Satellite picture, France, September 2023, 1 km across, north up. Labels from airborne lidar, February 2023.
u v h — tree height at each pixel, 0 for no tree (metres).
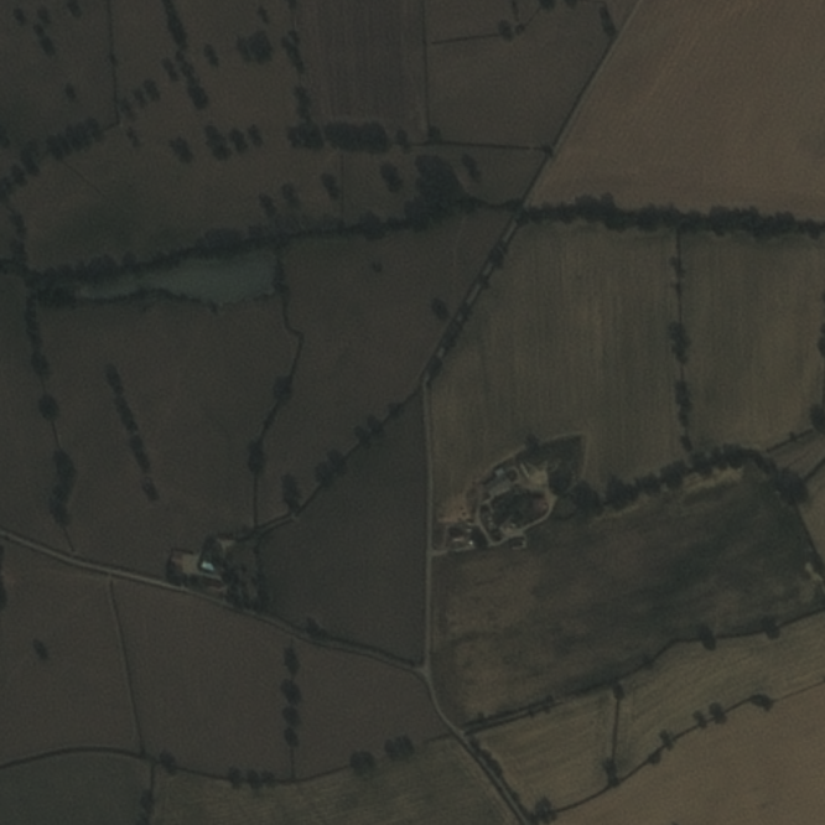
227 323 0
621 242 0
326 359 0
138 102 13
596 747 0
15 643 0
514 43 0
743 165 0
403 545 0
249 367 0
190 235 0
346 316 0
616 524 0
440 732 0
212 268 0
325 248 0
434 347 0
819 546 0
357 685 0
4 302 0
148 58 0
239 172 0
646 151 0
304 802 0
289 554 0
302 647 0
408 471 0
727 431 0
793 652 0
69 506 0
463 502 0
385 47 0
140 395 0
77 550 0
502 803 0
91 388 0
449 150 0
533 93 0
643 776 0
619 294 0
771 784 0
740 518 0
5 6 0
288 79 0
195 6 0
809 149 0
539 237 0
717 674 0
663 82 0
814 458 0
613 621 0
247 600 10
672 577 0
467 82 0
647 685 0
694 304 0
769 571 0
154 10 0
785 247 0
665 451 0
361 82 0
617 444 0
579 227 0
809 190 0
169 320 0
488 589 0
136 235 0
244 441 0
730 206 0
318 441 0
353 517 0
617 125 0
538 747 0
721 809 0
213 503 0
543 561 0
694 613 0
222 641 0
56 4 0
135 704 0
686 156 0
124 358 0
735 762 0
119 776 0
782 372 0
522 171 0
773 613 0
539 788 0
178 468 0
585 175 0
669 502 0
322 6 0
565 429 0
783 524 0
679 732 0
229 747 0
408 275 0
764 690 0
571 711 0
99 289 0
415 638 0
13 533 0
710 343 0
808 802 0
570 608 0
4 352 0
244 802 0
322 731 0
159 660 0
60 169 0
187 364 0
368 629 0
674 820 0
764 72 0
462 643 0
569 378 0
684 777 0
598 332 0
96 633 0
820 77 0
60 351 0
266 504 0
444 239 0
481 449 0
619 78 0
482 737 0
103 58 0
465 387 0
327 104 0
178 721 0
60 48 0
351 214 0
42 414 11
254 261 0
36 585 0
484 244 0
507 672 0
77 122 0
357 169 0
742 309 0
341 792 0
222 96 0
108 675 0
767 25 0
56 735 0
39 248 0
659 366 0
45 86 0
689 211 0
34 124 0
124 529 0
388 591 0
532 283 0
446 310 11
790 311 0
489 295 0
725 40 0
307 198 0
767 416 0
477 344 0
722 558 0
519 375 0
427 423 0
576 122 0
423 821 0
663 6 0
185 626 0
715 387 0
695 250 0
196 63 0
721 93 0
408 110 0
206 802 0
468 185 0
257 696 0
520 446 0
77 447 0
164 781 0
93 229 0
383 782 0
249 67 0
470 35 0
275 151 0
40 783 0
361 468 0
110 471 0
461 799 0
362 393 0
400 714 0
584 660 0
